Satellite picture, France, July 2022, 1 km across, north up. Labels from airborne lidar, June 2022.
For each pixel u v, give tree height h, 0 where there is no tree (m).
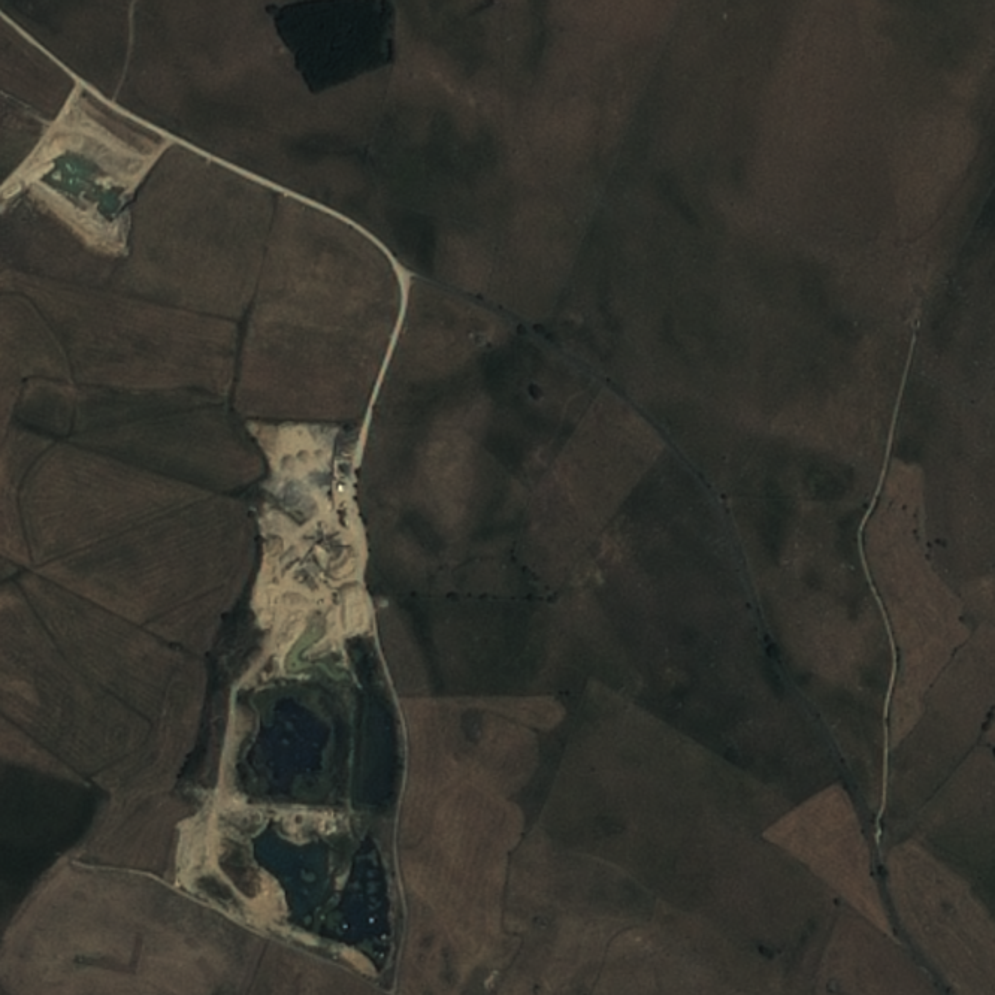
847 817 0
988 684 0
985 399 0
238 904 0
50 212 0
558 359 0
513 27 0
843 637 0
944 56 0
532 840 0
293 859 0
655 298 0
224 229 0
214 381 0
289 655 0
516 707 0
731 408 0
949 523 0
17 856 0
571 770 0
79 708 0
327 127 0
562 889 0
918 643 0
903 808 0
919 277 0
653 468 0
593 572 0
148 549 0
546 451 0
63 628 0
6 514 0
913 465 0
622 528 0
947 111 0
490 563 0
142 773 0
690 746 0
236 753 0
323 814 0
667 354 0
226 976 0
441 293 0
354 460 0
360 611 0
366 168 0
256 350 0
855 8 0
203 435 0
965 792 0
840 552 0
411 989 0
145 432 0
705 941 0
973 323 0
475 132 0
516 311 0
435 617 0
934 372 0
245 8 0
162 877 0
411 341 0
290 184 0
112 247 0
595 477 0
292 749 0
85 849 0
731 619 0
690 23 0
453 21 0
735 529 0
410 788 0
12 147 0
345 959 0
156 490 0
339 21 10
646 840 0
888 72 0
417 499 0
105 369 0
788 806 0
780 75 0
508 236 0
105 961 0
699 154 0
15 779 0
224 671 0
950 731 0
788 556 0
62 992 0
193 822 0
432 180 0
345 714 0
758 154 0
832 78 0
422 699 0
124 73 0
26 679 0
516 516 0
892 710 0
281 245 0
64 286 0
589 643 0
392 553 0
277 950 0
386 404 0
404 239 0
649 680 0
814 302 0
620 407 0
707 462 0
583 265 0
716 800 0
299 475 0
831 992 5
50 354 0
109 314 0
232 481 0
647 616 0
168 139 0
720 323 0
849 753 0
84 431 0
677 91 0
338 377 0
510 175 0
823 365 0
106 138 0
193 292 0
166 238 0
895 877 0
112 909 0
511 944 0
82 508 0
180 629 0
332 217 0
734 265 0
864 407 0
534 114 0
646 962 0
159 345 0
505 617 0
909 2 0
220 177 0
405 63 0
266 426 0
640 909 0
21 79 0
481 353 0
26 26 0
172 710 0
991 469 0
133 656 0
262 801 0
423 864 0
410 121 0
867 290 0
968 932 0
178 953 0
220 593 0
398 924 0
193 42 0
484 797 0
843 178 0
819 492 0
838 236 0
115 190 0
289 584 0
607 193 0
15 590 0
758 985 0
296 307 0
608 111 0
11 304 0
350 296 0
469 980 0
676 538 0
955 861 0
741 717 0
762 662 0
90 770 0
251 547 0
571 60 0
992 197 0
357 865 0
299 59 9
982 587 0
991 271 0
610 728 0
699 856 0
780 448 0
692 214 0
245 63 0
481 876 0
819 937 0
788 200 0
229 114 0
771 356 0
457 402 0
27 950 0
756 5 0
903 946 0
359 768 0
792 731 0
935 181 0
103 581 0
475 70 0
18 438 0
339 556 0
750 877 0
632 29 0
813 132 0
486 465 0
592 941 0
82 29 0
